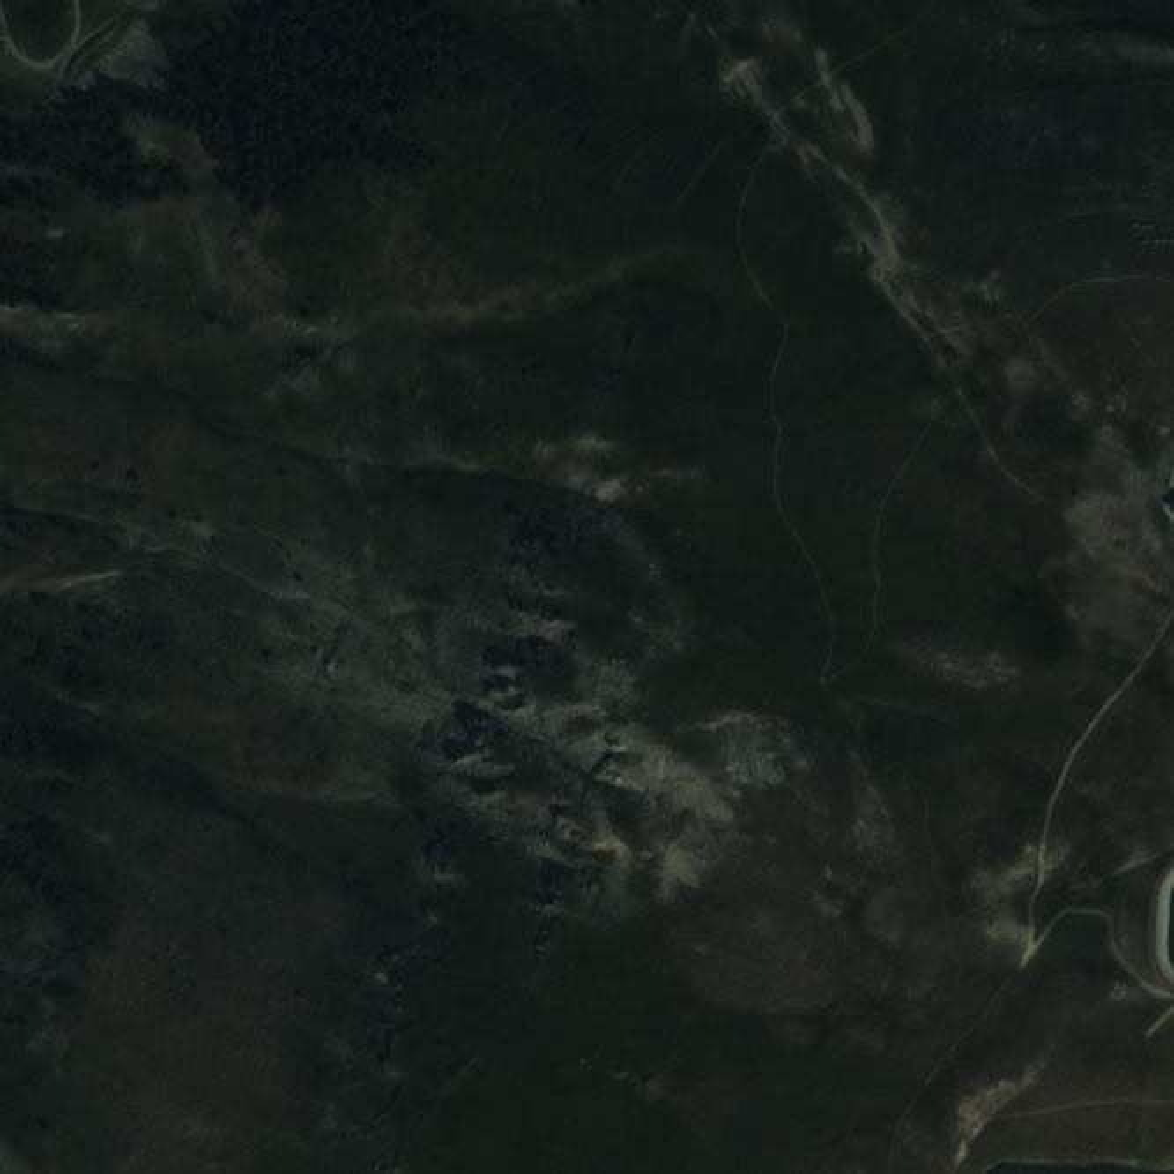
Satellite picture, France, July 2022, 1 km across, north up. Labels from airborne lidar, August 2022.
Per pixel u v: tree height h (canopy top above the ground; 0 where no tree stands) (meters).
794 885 0
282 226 0
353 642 0
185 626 0
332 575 0
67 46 0
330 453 0
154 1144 0
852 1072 0
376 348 0
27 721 7
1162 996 0
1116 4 0
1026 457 0
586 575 0
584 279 0
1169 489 0
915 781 0
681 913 0
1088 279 0
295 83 23
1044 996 0
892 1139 0
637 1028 0
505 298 0
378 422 0
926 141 0
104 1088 0
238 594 0
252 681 0
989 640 0
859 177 0
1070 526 0
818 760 0
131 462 0
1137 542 0
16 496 0
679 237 0
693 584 0
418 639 0
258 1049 0
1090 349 0
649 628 0
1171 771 0
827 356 0
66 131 14
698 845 0
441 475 0
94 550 0
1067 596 0
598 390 0
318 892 0
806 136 0
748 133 0
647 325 0
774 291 0
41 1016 0
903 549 0
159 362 0
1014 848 0
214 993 0
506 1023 0
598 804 0
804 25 0
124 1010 0
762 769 0
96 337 0
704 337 0
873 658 0
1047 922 0
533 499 0
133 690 0
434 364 0
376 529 0
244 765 0
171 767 0
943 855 0
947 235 0
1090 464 0
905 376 0
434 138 0
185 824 0
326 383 0
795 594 0
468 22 0
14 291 7
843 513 0
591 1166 0
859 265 0
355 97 19
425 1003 0
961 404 0
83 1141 0
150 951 0
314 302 5
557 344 0
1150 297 0
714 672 0
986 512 0
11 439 0
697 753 0
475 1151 0
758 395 0
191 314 0
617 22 0
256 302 0
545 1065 0
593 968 0
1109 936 0
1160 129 0
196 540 0
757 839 0
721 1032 0
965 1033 0
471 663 0
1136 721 0
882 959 0
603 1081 0
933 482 0
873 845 0
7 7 0
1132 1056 0
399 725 0
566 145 0
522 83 0
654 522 0
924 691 0
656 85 0
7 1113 0
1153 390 0
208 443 0
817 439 0
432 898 0
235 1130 0
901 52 0
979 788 0
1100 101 0
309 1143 0
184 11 0
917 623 0
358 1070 0
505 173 0
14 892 0
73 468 0
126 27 0
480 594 0
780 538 0
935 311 0
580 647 0
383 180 0
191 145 0
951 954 0
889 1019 0
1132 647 0
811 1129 0
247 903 0
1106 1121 0
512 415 0
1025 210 0
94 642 9
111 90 25
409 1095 0
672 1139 0
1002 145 0
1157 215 0
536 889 0
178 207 0
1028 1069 0
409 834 0
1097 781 0
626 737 0
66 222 0
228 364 0
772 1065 0
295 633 0
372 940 0
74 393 0
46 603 8
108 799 0
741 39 0
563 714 0
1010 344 0
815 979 0
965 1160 0
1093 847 0
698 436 0
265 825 0
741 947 0
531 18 0
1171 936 0
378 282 0
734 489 0
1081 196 0
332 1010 0
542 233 0
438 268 0
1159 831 0
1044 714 0
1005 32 0
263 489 0
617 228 0
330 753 0
